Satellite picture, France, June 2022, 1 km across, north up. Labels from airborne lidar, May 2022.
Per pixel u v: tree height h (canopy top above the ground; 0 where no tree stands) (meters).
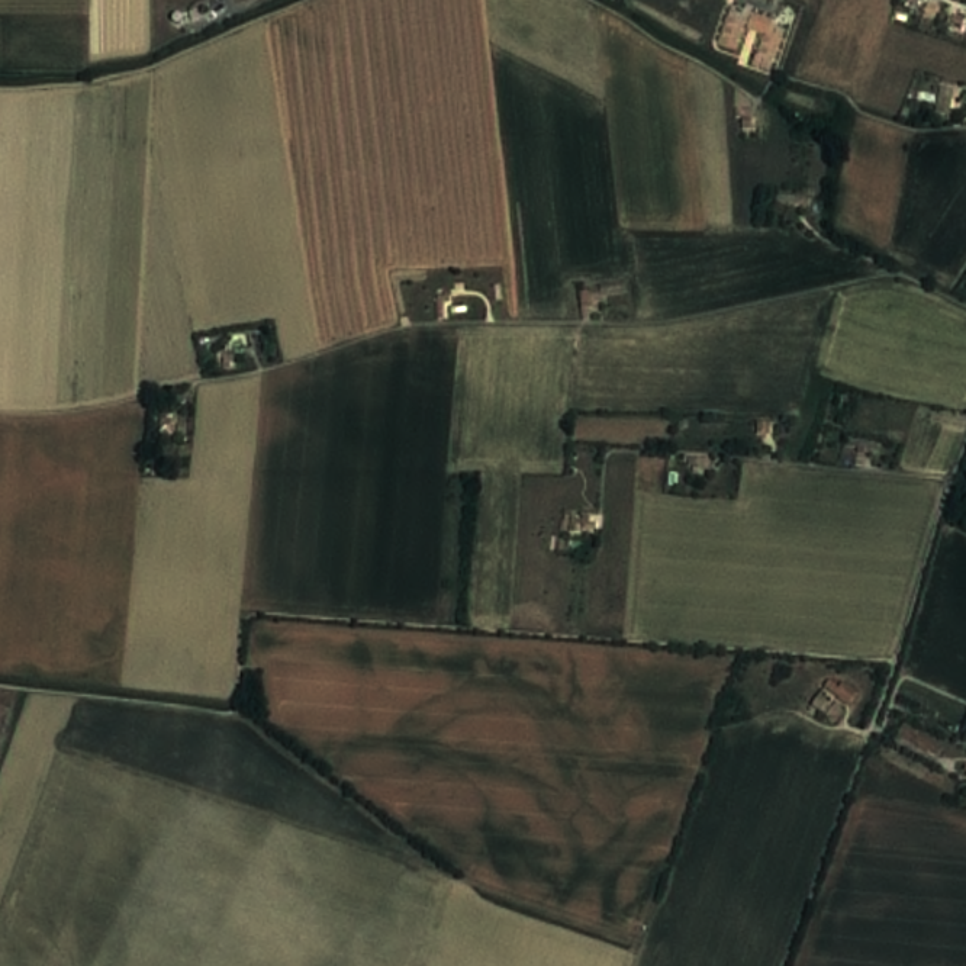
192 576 0
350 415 0
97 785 0
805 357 0
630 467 0
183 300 0
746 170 0
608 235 0
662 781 0
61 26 0
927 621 0
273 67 0
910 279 0
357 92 0
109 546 0
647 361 0
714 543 0
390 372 0
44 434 0
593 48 0
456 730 0
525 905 0
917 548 0
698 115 0
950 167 0
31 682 0
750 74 0
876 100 0
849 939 0
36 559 0
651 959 0
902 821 0
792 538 0
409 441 0
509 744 0
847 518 0
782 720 0
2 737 0
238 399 0
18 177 0
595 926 0
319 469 0
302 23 0
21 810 0
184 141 0
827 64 0
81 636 0
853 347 0
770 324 0
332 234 0
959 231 0
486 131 0
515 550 0
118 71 0
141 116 0
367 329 0
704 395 0
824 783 0
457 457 0
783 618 0
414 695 0
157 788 0
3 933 0
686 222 0
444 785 0
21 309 0
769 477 0
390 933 0
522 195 0
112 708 0
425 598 0
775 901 0
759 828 0
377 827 0
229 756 0
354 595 0
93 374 0
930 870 0
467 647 0
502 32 0
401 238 0
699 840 0
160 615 0
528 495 0
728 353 0
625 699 0
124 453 0
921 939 0
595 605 0
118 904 0
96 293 0
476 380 0
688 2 0
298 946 0
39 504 0
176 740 0
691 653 10
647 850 0
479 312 0
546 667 0
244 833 0
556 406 0
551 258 0
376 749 0
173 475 28
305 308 0
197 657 0
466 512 10
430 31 0
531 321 0
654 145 0
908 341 0
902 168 0
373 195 0
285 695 0
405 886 0
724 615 0
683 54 0
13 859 0
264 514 0
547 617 0
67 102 0
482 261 0
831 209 10
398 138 0
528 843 0
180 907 0
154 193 0
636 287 0
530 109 0
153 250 0
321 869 0
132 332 0
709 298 0
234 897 0
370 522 0
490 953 0
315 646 0
